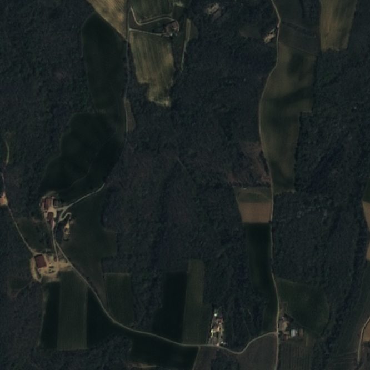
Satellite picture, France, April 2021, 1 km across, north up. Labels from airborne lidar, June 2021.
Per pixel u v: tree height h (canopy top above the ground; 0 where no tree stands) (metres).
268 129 0
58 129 22
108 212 14
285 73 0
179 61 10
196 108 14
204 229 17
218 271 9
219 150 22
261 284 0
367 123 14
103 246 0
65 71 19
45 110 12
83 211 0
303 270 6
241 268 16
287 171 0
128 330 0
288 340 0
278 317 0
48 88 9
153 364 0
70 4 18
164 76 0
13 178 19
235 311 21
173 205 17
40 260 0
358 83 17
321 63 13
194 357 0
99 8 0
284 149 0
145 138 22
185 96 18
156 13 0
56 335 0
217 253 22
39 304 9
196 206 17
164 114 16
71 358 19
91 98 9
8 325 11
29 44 20
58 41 11
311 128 12
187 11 12
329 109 15
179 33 11
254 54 18
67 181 0
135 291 20
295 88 0
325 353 20
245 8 11
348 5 0
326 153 22
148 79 0
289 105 0
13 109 19
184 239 14
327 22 0
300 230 15
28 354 12
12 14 17
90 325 0
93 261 0
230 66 13
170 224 13
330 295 12
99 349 15
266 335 0
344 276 18
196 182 21
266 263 0
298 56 0
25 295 14
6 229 15
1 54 17
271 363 0
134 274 20
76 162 0
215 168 21
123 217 9
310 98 0
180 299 0
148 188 15
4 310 11
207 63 15
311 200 16
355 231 25
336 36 0
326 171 18
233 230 16
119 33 7
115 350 19
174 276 0
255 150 0
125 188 14
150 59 0
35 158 18
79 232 0
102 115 0
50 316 0
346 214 28
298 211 20
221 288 10
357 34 13
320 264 16
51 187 0
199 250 16
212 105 9
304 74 0
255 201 0
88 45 0
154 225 27
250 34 0
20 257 13
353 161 20
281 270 13
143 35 0
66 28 19
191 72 17
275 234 16
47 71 10
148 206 15
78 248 0
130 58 14
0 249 15
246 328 6
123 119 0
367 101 9
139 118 21
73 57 17
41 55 14
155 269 21
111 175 16
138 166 13
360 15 10
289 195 10
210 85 10
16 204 22
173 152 18
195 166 17
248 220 0
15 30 18
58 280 0
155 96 0
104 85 0
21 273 12
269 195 0
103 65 0
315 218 15
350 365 0
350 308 12
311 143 11
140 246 19
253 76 15
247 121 7
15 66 23
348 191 26
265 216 0
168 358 0
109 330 0
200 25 18
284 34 0
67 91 15
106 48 0
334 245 18
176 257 14
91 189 9
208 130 22
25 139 18
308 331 0
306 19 20
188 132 18
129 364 0
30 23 15
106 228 15
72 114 14
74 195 0
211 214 19
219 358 13
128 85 13
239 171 7
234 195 10
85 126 0
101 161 0
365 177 7
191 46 15
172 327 0
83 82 15
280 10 0
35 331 12
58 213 8
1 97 22
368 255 0
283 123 0
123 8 0
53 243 0
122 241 15
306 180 14
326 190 18
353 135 21
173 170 19
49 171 0
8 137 0
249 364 0
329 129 13
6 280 13
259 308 20
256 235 0
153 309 15
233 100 8
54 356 7
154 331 0
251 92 13
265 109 0
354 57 8
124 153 16
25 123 19
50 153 16
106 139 0
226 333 10
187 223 17
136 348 0
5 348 20
